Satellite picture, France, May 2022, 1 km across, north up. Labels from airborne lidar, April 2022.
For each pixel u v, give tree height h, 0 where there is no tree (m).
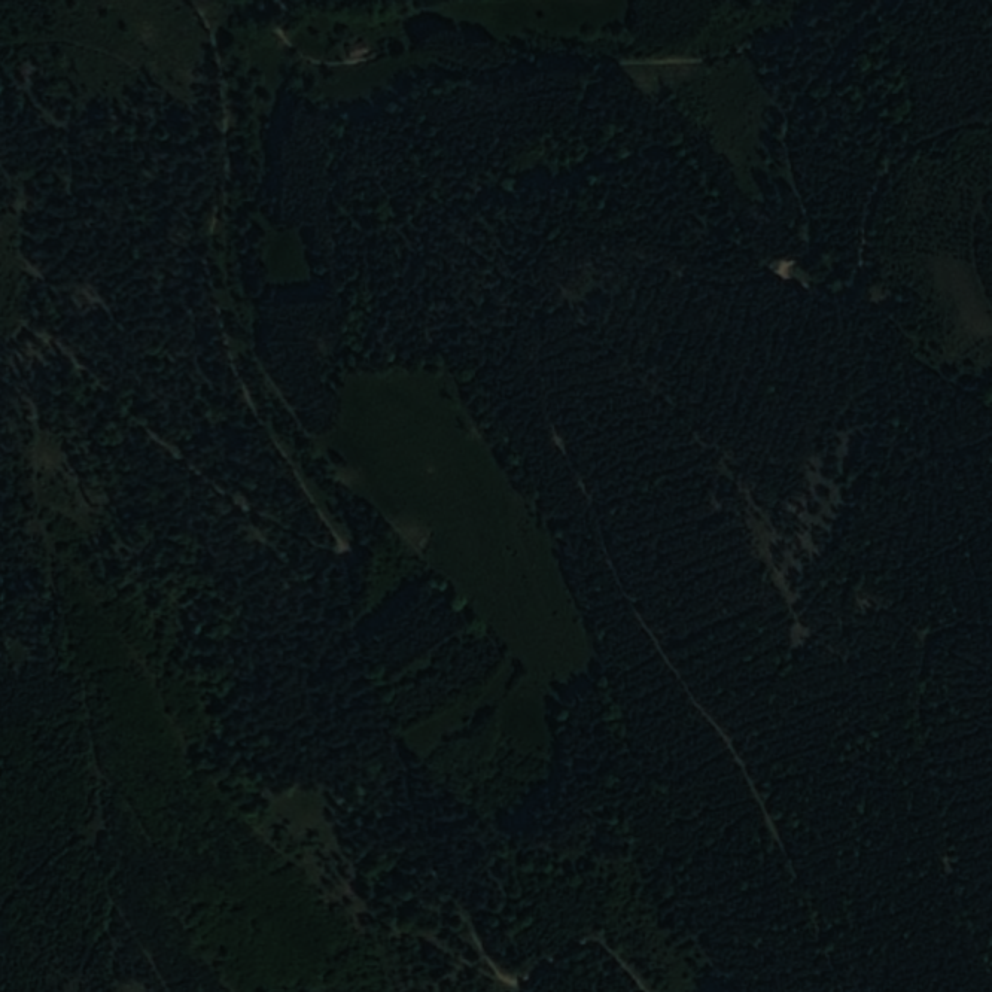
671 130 25
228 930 12
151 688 10
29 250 31
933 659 21
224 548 38
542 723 0
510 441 21
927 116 15
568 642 0
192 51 0
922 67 16
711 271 27
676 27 18
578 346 20
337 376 14
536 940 8
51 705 11
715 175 24
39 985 7
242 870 11
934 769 19
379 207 27
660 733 23
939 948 22
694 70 0
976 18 23
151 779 10
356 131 27
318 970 8
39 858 9
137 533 36
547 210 34
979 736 22
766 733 21
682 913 19
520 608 0
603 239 22
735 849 15
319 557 10
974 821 20
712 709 21
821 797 21
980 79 16
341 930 11
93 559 29
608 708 23
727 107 0
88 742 6
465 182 29
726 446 20
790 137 9
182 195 34
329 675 37
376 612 0
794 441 19
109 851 12
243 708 38
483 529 0
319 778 37
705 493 22
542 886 7
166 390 39
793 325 28
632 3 11
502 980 0
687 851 16
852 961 21
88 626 11
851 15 34
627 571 23
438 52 26
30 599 28
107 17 13
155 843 8
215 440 39
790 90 22
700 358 27
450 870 33
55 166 35
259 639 37
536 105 31
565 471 21
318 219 31
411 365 24
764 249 28
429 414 0
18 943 6
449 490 0
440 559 0
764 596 19
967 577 21
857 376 24
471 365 28
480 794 7
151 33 0
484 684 10
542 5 0
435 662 9
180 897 13
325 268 28
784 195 28
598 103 28
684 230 32
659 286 27
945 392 23
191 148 30
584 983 9
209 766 27
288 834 11
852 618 14
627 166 31
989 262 9
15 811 10
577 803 30
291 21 19
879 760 16
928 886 22
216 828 11
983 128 9
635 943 6
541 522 10
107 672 10
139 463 37
